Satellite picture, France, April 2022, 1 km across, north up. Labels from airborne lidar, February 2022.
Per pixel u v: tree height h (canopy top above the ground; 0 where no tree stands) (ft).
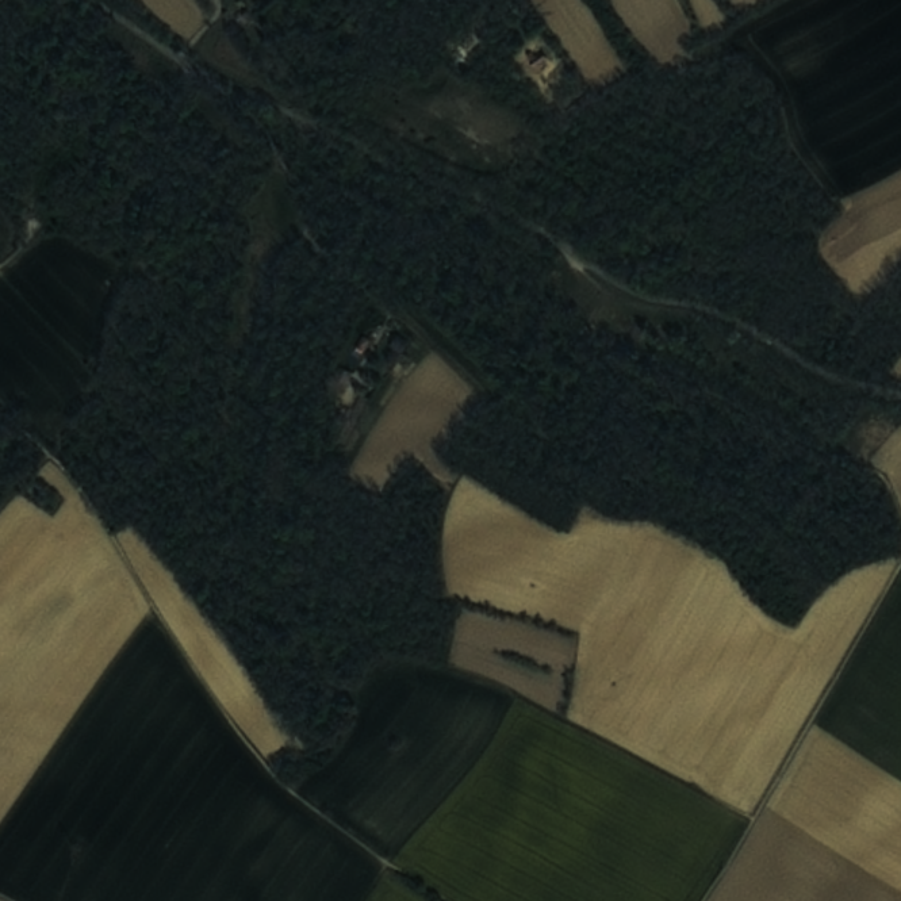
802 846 0
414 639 67
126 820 0
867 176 0
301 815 0
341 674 68
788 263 77
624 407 76
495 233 123
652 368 91
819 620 0
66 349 0
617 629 0
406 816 0
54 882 0
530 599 0
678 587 0
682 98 71
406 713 0
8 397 0
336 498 80
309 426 99
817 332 55
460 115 0
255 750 0
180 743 0
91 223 59
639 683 0
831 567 56
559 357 124
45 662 0
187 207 93
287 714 96
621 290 0
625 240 60
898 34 0
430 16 51
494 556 0
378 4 66
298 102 57
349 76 83
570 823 0
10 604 0
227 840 0
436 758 0
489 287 105
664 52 0
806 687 0
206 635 0
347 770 0
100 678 0
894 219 0
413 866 0
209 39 0
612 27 23
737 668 0
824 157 0
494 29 56
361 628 94
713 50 0
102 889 0
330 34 40
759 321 49
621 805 0
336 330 81
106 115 63
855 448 0
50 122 55
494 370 81
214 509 95
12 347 0
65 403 0
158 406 27
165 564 55
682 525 71
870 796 0
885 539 69
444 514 67
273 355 88
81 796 0
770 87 94
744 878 0
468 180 70
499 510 0
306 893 0
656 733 0
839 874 0
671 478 72
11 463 74
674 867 0
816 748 0
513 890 0
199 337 76
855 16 0
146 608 0
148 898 0
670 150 81
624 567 0
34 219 0
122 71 79
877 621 0
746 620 0
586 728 0
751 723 0
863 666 0
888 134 0
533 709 0
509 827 0
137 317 93
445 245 109
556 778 0
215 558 107
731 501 98
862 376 61
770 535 72
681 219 69
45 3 72
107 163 53
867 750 0
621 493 49
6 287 0
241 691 0
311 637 69
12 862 0
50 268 0
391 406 0
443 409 0
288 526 100
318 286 71
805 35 0
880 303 30
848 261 0
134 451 30
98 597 0
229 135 0
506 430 113
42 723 0
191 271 58
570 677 31
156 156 103
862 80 0
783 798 0
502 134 0
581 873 0
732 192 53
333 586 91
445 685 0
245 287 54
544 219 80
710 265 78
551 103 57
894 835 0
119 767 0
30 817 0
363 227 96
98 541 0
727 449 112
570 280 0
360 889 0
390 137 54
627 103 33
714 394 74
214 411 106
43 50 67
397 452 0
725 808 0
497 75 26
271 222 0
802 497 101
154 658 0
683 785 0
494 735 0
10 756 0
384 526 85
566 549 0
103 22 70
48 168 0
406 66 80
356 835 0
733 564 26
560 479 34
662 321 0
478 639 0
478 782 0
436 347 0
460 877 0
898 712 0
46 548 0
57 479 0
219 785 0
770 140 87
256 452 85
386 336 0
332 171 108
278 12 0
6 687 0
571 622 0
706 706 0
